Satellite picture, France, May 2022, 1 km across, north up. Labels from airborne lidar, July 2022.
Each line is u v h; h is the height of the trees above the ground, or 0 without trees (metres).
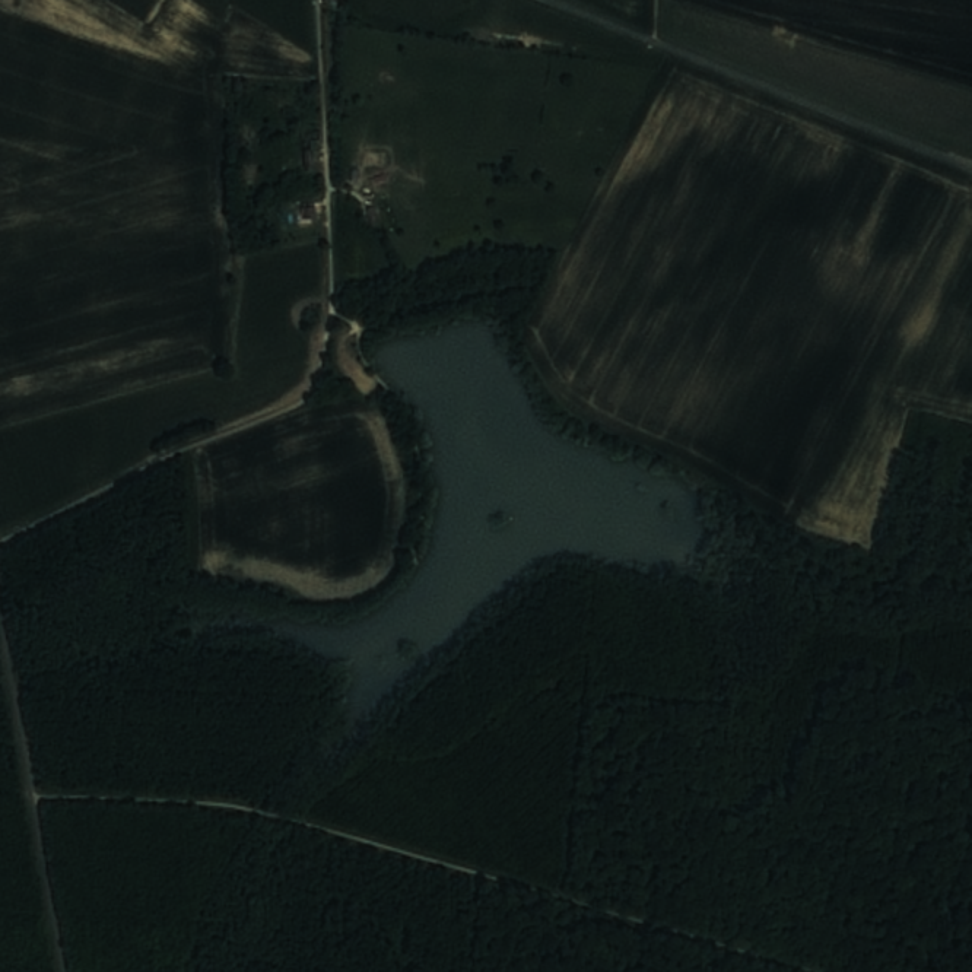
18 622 22
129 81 0
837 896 26
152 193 0
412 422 16
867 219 0
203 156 0
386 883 18
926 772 28
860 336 0
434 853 6
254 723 18
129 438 0
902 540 19
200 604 17
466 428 0
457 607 0
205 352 0
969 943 25
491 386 0
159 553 10
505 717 12
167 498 22
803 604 22
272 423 0
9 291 0
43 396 0
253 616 11
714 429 0
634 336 0
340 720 6
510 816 8
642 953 27
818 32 0
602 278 0
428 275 18
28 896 12
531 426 0
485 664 20
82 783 15
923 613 21
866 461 0
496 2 0
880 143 0
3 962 14
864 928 25
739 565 29
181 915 15
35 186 0
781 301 0
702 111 0
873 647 6
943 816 23
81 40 0
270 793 19
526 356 11
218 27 0
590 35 0
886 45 0
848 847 25
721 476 0
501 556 0
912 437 6
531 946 21
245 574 0
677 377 0
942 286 0
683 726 26
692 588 23
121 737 15
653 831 25
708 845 22
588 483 0
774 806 24
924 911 26
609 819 28
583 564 16
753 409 0
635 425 0
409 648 12
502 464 0
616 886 19
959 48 0
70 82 0
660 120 0
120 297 0
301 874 16
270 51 0
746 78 0
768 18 0
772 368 0
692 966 20
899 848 23
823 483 0
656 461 12
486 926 23
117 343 0
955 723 24
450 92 0
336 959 19
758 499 0
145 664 21
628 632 13
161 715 17
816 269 0
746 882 23
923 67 0
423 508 13
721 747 15
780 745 6
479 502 0
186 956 11
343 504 0
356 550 0
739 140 0
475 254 18
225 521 0
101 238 0
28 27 0
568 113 0
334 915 16
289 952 18
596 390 0
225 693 19
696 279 0
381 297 22
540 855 8
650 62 0
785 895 21
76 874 14
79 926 13
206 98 0
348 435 0
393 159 0
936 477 21
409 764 7
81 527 17
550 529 0
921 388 0
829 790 25
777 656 30
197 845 16
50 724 17
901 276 0
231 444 0
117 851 15
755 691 18
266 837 19
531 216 0
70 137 0
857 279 0
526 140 0
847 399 0
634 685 15
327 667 23
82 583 24
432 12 0
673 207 0
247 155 13
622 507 0
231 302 0
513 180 10
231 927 17
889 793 27
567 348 0
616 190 0
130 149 0
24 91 0
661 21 0
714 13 0
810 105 0
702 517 16
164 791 15
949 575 20
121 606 24
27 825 10
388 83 0
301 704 17
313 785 31
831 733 27
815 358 0
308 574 0
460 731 18
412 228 0
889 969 22
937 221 0
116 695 18
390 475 0
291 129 13
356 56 0
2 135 0
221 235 0
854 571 12
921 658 8
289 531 0
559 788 9
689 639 14
